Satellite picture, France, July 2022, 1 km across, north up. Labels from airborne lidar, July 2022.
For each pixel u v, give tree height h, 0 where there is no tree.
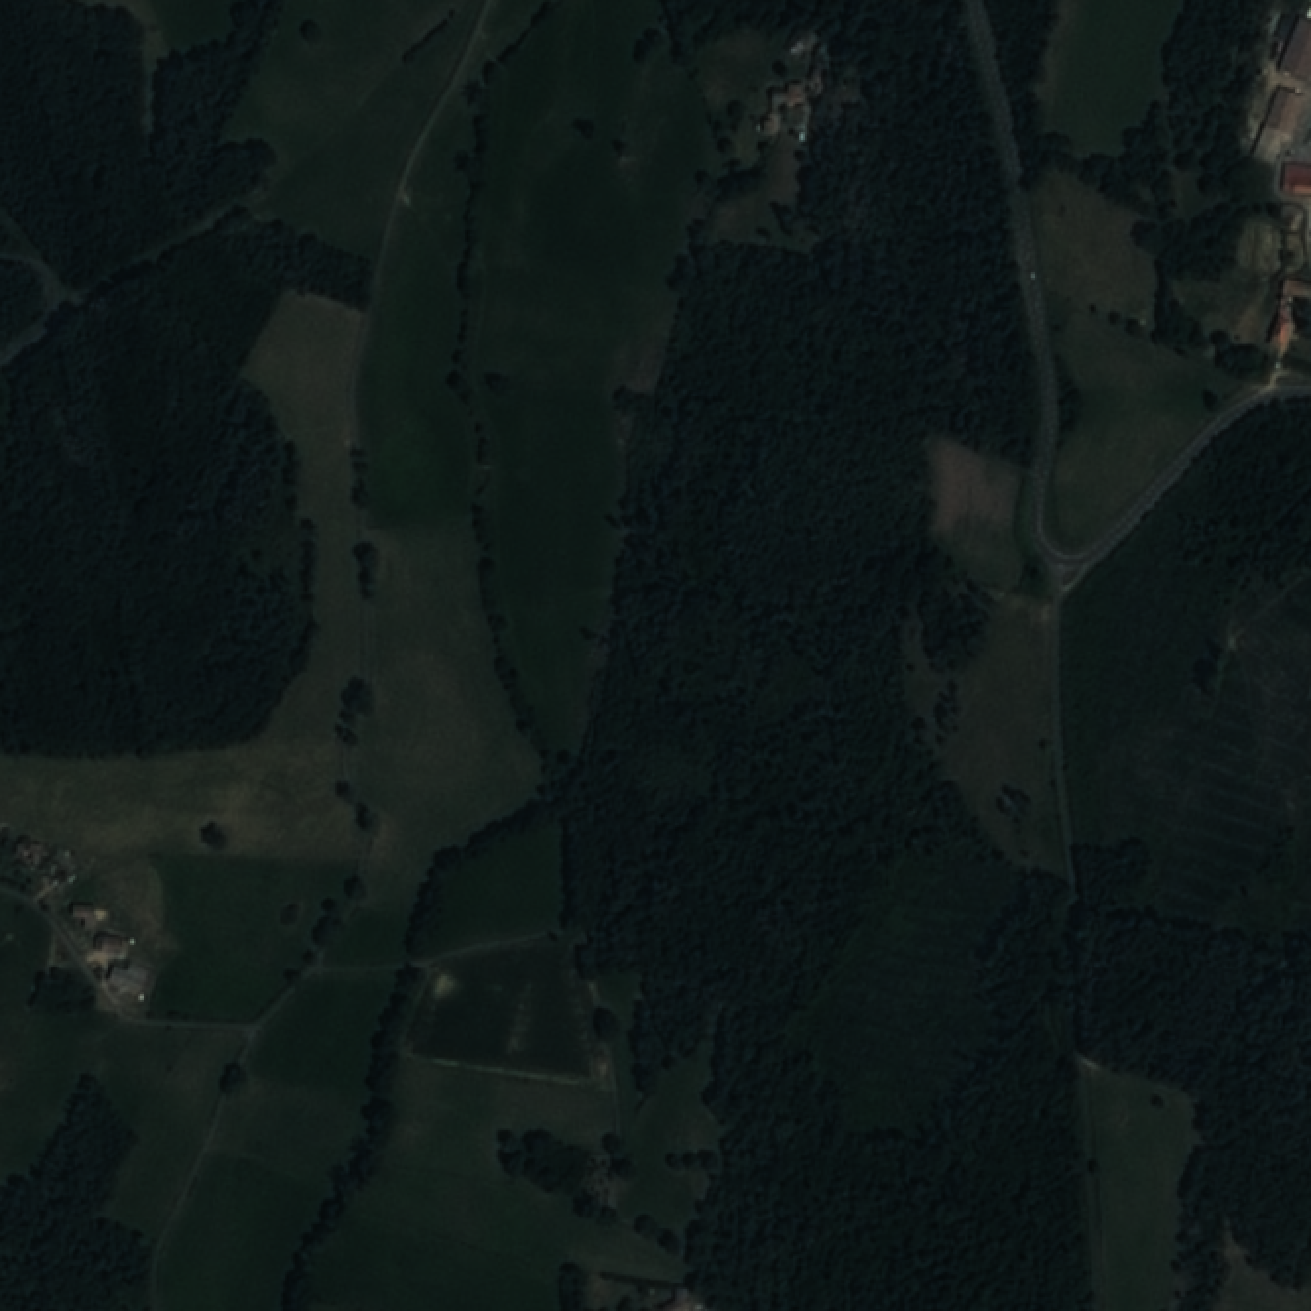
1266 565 11
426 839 0
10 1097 0
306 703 0
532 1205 0
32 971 0
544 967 0
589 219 0
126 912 0
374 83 0
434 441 0
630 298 0
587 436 0
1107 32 0
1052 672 0
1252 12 11
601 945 11
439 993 0
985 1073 22
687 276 17
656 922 16
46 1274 19
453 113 0
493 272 0
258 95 0
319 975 0
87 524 23
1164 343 14
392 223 0
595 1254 0
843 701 10
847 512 10
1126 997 20
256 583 15
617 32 0
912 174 17
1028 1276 12
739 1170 9
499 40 0
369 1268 0
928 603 19
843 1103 22
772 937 13
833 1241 9
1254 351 14
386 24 0
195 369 20
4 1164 0
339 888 0
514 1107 0
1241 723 0
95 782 0
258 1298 0
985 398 17
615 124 0
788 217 21
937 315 30
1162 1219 0
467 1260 0
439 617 0
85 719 19
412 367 0
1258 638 0
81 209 23
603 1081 0
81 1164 17
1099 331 0
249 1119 0
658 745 7
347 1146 0
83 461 24
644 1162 0
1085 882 13
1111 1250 0
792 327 14
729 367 12
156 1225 0
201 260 7
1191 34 13
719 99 0
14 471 17
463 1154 0
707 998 19
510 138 0
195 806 0
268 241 13
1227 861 0
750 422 21
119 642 16
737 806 21
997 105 0
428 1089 0
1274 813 0
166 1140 0
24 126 18
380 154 0
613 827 21
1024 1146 16
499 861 0
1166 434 0
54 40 22
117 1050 0
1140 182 13
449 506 0
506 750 0
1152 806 0
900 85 24
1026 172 14
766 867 12
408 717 0
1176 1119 0
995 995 13
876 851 6
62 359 27
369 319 0
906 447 12
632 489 7
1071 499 0
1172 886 0
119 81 23
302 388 0
